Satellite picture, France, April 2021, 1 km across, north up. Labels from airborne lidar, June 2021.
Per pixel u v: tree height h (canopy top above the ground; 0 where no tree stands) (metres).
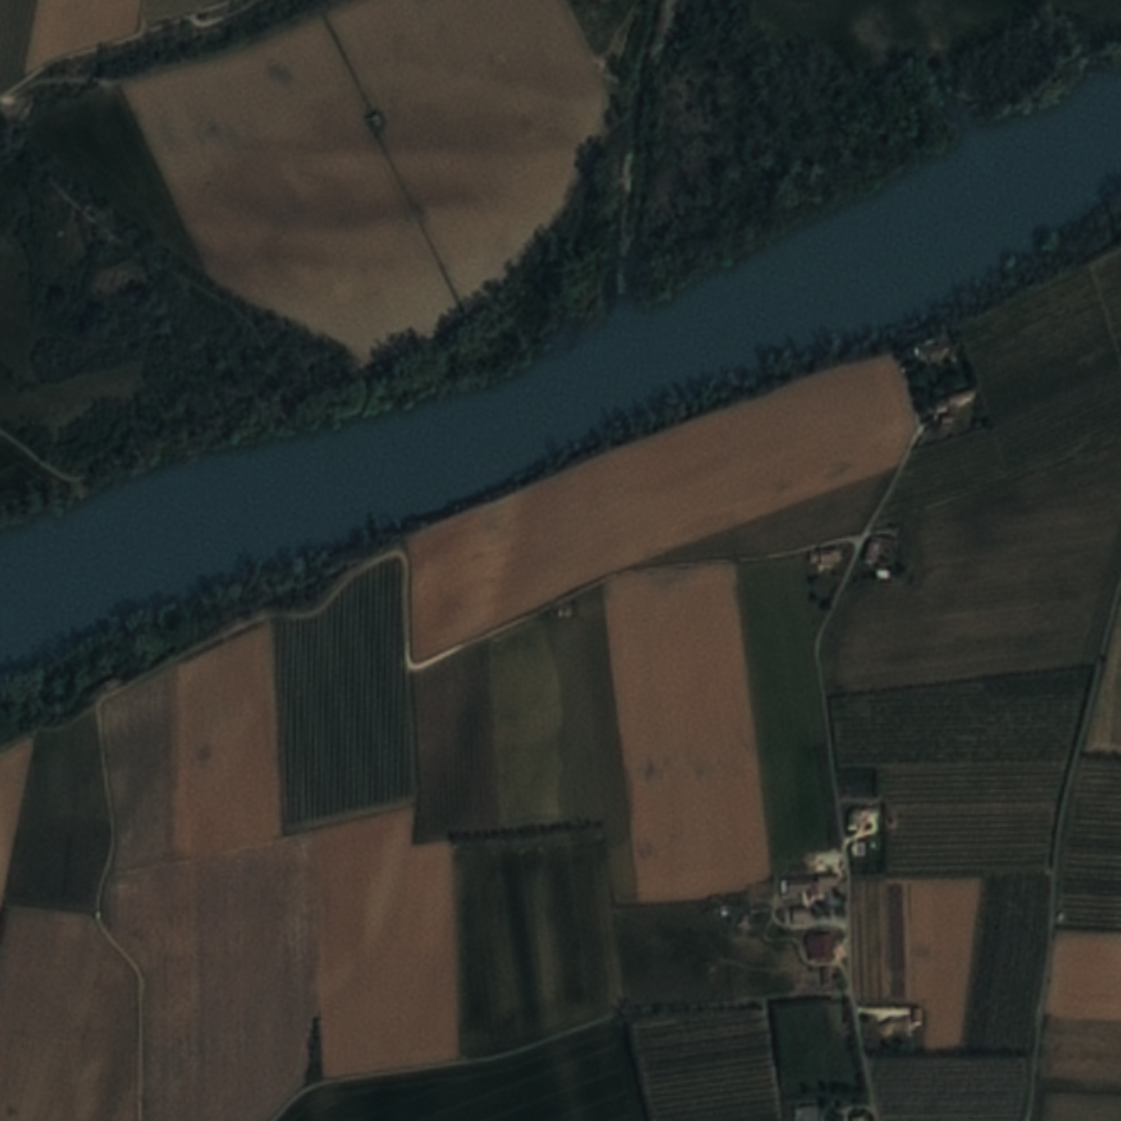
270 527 0
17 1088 0
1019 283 7
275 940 0
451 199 0
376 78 0
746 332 0
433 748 0
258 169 0
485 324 22
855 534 0
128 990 0
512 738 0
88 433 8
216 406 17
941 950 0
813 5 0
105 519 0
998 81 16
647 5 7
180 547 0
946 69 14
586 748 0
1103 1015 0
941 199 0
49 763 0
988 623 0
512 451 0
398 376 35
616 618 0
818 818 0
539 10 0
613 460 0
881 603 0
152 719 0
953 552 0
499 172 0
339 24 0
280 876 0
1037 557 0
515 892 0
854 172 9
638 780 0
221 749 0
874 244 0
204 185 0
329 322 0
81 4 0
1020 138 0
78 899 0
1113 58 25
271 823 0
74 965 0
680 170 7
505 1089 0
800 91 22
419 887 0
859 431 0
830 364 14
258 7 8
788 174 28
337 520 0
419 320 0
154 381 10
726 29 12
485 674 0
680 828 0
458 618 0
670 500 0
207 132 0
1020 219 0
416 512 0
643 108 9
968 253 0
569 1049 0
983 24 0
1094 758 10
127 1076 0
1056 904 0
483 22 0
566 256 11
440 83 0
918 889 0
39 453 8
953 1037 0
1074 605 0
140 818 0
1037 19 30
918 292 0
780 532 0
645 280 14
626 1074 0
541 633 0
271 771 0
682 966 0
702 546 0
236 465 0
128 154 0
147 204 0
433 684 0
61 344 7
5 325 0
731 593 0
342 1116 0
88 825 0
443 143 0
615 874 0
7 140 15
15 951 0
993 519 0
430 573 0
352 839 0
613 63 0
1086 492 0
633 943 0
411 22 0
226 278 0
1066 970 0
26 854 0
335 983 0
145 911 0
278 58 0
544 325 16
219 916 0
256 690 0
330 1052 0
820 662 0
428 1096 0
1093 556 0
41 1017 0
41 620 0
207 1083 0
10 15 0
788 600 0
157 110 0
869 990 0
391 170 0
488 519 0
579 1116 0
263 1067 0
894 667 0
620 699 0
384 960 0
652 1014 7
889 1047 12
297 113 0
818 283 0
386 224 0
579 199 18
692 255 22
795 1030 0
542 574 0
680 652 0
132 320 9
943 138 7
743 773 0
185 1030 0
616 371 0
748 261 0
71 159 0
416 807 0
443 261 0
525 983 0
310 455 0
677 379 0
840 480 0
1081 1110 0
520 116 0
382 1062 0
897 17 0
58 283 7
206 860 0
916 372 12
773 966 0
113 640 23
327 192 0
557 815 0
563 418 0
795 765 0
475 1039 0
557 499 0
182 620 24
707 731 0
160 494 0
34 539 0
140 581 0
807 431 0
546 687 0
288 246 0
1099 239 18
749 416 0
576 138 0
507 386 0
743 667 0
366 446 0
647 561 0
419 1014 0
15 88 0
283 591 17
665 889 0
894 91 9
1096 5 0
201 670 0
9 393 0
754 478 0
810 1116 0
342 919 0
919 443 0
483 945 0
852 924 0
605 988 0
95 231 7
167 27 8
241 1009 0
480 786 0
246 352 12
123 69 14
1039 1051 0
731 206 11
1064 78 31
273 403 21
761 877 0
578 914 0
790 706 0
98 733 0
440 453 0
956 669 0
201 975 0
